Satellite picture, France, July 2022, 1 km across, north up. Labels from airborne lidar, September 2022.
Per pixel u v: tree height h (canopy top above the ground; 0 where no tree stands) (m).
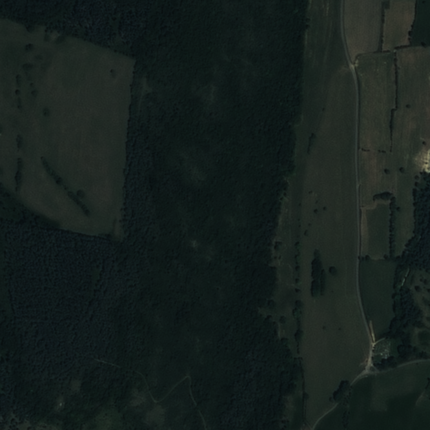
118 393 13
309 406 0
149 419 0
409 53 0
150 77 8
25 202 0
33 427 7
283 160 16
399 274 7
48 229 6
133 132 11
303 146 0
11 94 0
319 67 0
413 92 0
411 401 0
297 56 10
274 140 12
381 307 0
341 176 0
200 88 9
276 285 19
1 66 0
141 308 7
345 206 0
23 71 0
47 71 0
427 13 0
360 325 0
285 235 0
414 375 0
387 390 0
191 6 12
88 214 10
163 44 7
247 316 6
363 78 0
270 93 7
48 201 0
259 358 17
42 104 0
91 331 18
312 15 0
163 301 6
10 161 0
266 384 10
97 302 14
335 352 0
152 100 9
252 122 5
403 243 0
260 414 17
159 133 8
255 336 13
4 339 14
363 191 0
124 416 9
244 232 6
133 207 18
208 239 7
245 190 7
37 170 0
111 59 0
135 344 10
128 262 18
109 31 20
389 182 0
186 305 10
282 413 22
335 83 0
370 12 0
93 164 0
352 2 0
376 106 0
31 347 14
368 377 0
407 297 12
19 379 11
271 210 11
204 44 8
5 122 0
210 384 8
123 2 12
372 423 0
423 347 0
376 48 0
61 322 18
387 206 0
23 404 11
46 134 0
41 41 0
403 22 0
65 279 20
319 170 0
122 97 0
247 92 6
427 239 18
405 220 0
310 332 0
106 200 0
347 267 0
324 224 0
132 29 19
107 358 14
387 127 0
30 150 0
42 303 16
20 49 0
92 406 15
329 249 0
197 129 7
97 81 0
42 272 18
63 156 0
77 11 22
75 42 0
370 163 0
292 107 11
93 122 0
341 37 0
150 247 8
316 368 0
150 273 11
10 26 0
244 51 7
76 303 17
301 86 13
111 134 0
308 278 0
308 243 0
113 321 15
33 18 15
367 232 0
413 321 23
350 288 0
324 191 0
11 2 20
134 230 7
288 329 0
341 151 0
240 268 14
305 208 0
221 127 9
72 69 0
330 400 8
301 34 15
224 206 9
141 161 21
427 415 0
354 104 0
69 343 15
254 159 8
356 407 0
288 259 0
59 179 9
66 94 0
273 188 11
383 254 0
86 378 9
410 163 0
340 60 0
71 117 0
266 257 15
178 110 14
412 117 0
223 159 8
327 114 0
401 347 16
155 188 16
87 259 15
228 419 13
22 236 19
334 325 0
